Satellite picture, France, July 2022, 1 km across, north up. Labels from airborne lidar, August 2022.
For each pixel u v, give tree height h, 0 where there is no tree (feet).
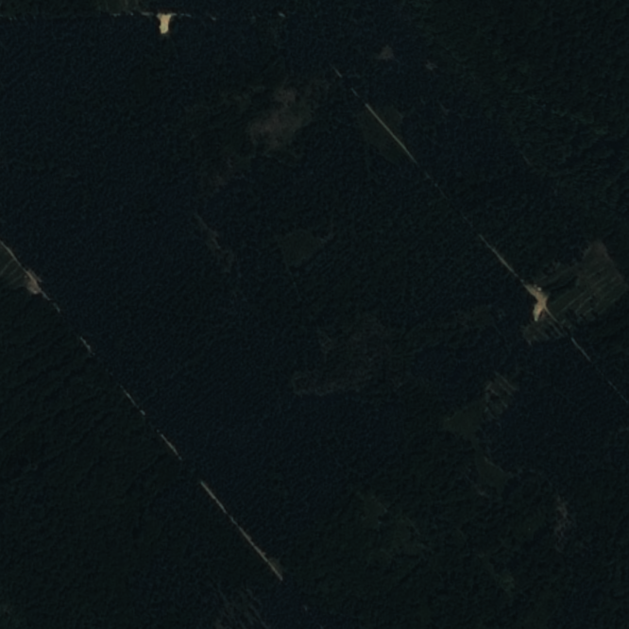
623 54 104
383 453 56
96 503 61
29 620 37
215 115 27
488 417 40
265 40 31
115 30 77
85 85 62
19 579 39
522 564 55
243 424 71
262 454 72
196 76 40
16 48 52
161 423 61
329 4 80
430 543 31
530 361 72
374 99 78
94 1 36
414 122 58
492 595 58
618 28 86
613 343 37
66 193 69
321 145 60
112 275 75
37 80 62
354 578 50
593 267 0
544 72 96
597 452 32
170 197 69
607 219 47
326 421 73
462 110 35
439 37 56
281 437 81
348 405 71
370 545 45
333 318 56
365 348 29
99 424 57
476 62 75
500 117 56
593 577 50
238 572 36
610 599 74
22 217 64
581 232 44
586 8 77
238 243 56
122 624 65
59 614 46
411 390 34
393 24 74
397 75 81
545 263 53
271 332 59
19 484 47
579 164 119
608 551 60
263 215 37
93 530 65
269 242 32
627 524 84
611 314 17
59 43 45
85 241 71
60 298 66
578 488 41
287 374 70
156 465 50
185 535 39
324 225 37
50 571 62
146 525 61
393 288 46
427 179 39
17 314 33
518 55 93
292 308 45
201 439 71
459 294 59
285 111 0
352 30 87
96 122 41
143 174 65
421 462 63
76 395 67
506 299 67
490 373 55
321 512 56
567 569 52
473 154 72
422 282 39
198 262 62
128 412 50
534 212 40
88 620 54
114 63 59
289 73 42
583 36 60
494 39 104
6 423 63
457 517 64
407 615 54
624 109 116
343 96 53
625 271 69
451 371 45
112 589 64
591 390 45
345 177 47
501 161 37
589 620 69
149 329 54
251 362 64
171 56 32
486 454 37
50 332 34
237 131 26
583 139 144
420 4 79
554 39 94
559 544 75
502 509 61
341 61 74
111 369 72
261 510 45
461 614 62
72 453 63
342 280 31
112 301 52
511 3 104
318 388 28
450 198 41
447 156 67
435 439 59
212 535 42
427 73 63
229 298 50
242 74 45
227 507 38
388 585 47
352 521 53
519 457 63
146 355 55
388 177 45
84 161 56
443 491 55
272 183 50
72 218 62
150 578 61
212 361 54
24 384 68
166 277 68
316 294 53
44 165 39
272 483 40
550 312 0
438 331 37
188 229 69
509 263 40
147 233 54
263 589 44
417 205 32
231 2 81
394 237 44
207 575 24
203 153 23
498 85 81
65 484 53
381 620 47
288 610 74
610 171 133
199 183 35
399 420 76
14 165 53
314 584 32
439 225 48
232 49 54
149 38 68
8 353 57
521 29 90
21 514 61
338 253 44
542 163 71
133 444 55
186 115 35
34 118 57
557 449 64
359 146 41
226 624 28
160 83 35
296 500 55
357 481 52
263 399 61
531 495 65
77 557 55
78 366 58
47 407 61
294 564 37
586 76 114
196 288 56
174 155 49
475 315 22
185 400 53
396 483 38
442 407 37
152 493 53
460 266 33
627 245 101
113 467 55
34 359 62
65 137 70
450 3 95
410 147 69
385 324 56
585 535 53
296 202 45
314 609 53
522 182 53
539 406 67
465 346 31
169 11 24
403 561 44
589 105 101
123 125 67
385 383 47
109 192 65
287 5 50
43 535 57
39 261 24
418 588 54
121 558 64
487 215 64
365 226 45
